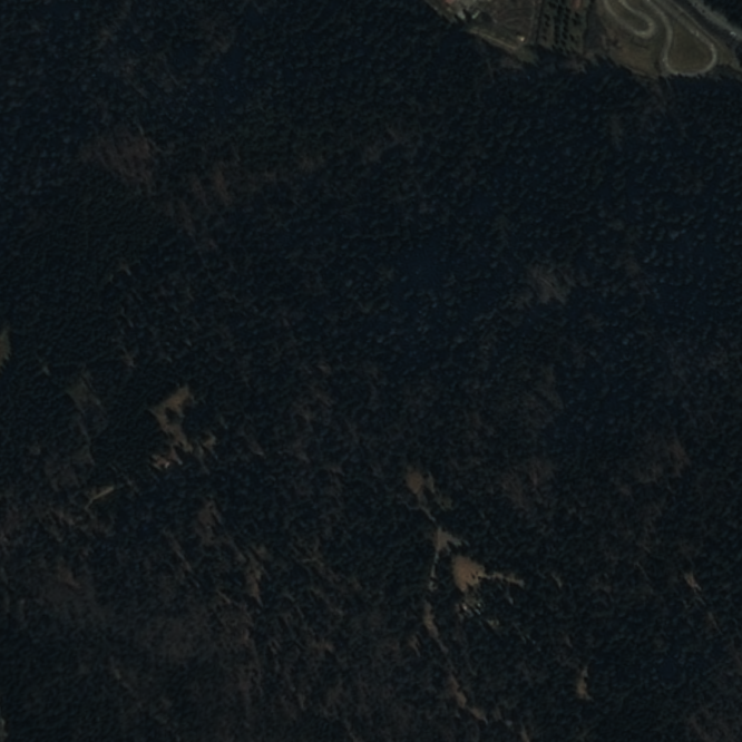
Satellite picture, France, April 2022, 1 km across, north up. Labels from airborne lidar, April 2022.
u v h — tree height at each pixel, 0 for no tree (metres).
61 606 24
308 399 32
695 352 26
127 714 22
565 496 18
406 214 21
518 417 17
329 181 26
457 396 23
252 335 37
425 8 26
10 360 0
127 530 16
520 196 31
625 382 32
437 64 11
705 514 22
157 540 21
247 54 24
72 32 22
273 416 25
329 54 12
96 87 26
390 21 31
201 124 17
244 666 15
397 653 23
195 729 29
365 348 22
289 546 31
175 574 19
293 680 15
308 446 23
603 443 23
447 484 34
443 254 14
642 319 7
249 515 32
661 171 16
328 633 23
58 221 18
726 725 16
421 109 21
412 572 21
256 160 26
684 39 0
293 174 32
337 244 31
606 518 20
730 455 33
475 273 27
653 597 16
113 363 21
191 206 23
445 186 48
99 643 31
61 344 20
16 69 27
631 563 26
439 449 29
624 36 0
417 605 8
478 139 32
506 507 29
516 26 0
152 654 20
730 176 30
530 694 22
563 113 26
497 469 18
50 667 28
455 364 24
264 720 22
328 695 16
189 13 29
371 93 34
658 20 0
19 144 32
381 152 31
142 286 18
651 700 17
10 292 19
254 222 17
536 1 0
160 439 14
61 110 25
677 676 13
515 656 32
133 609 23
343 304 34
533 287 16
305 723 20
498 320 20
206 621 21
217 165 33
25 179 29
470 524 29
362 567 28
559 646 11
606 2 0
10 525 27
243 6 36
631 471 28
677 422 22
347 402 39
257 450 22
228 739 21
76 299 28
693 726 20
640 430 18
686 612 35
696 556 15
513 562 28
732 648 18
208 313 29
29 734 29
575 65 12
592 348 28
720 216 12
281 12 31
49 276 20
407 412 29
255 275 34
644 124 22
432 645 29
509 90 28
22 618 27
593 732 27
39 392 23
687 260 35
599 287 30
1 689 26
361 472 28
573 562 32
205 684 24
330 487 26
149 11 35
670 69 0
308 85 31
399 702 18
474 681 18
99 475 13
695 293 15
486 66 26
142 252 18
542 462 22
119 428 13
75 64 30
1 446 18
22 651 27
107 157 18
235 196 28
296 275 25
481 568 0
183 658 16
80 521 30
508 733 19
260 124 24
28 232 30
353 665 13
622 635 31
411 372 25
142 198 18
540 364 15
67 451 23
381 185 30
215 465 27
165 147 7
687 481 9
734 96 29
